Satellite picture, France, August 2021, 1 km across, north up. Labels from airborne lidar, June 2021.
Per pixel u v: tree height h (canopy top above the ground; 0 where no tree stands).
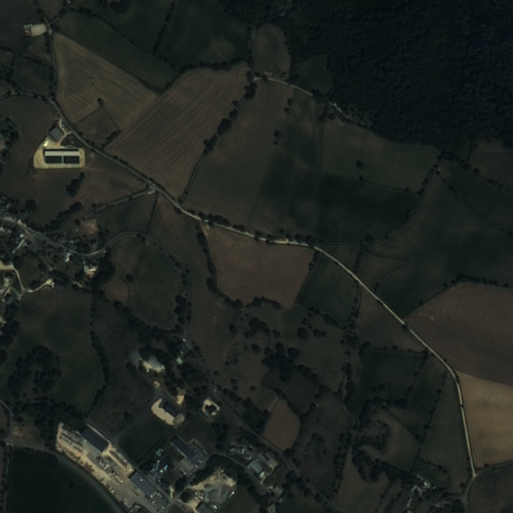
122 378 0
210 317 0
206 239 12
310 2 14
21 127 0
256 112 0
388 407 8
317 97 16
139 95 0
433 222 0
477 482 0
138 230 0
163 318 0
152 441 0
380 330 0
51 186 0
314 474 0
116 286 0
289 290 0
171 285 0
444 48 22
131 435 0
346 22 27
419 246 0
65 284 12
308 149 0
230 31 0
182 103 0
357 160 0
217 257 0
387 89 22
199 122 0
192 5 0
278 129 0
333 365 0
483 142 0
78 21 0
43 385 15
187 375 13
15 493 0
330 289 0
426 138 11
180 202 6
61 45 0
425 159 0
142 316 0
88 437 0
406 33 24
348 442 11
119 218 0
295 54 15
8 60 0
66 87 0
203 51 0
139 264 0
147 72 0
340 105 9
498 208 0
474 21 8
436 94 22
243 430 9
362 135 0
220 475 0
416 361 0
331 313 0
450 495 7
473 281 11
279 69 0
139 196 0
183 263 0
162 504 0
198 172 0
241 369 0
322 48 17
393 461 0
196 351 12
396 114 17
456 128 23
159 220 0
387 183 0
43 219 0
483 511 0
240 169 0
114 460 0
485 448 0
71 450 0
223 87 0
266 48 0
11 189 0
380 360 0
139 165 0
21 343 0
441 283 0
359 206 0
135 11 0
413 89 24
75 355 0
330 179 0
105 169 0
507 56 21
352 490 0
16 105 0
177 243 0
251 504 0
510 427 0
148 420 0
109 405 0
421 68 18
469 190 0
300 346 0
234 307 7
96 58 0
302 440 0
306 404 0
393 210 0
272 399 0
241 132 0
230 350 0
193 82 0
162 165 0
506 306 0
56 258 7
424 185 7
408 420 0
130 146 0
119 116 0
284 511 0
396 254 0
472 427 0
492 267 0
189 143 0
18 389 15
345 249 0
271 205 0
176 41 0
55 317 0
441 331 0
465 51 34
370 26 29
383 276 0
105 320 0
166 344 6
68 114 0
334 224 0
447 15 25
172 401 0
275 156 0
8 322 11
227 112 0
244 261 0
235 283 0
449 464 0
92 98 0
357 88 13
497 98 24
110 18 0
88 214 0
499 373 0
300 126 0
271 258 0
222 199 0
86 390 0
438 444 0
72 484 6
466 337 0
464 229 0
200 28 0
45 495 0
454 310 0
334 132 0
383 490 0
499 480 0
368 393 0
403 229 0
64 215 11
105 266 17
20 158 0
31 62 9
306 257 0
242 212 0
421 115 18
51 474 0
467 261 0
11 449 10
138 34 0
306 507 0
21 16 0
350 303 0
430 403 0
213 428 10
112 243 0
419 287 0
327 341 0
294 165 0
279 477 0
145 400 0
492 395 0
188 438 0
